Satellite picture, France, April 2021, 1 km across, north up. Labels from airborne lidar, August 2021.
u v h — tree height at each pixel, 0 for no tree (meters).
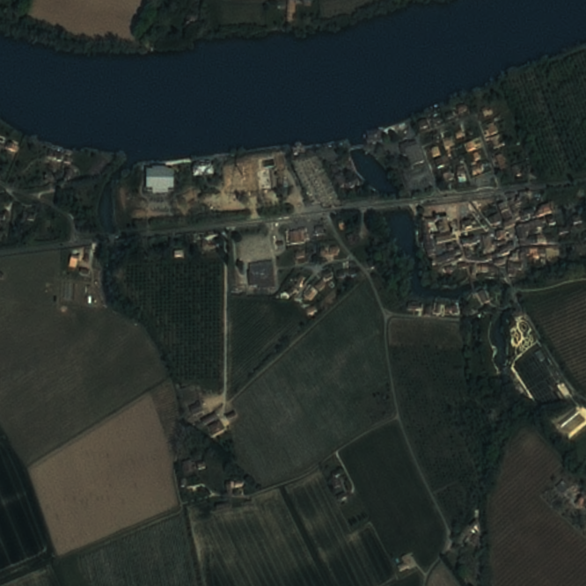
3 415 0
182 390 0
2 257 0
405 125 0
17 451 0
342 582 0
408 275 21
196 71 0
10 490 0
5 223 10
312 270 0
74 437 0
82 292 0
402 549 0
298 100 0
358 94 0
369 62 0
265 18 0
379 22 0
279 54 0
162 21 18
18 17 19
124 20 0
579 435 0
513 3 0
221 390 0
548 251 0
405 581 0
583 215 12
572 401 16
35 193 0
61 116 0
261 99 0
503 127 6
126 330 0
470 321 12
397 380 0
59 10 0
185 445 31
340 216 9
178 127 0
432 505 0
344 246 0
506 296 12
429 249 0
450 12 0
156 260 10
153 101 0
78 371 0
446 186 15
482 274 10
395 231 0
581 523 7
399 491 0
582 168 15
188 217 12
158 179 0
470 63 0
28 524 0
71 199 13
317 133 0
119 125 0
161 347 16
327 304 11
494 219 0
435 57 0
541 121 11
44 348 0
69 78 0
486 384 13
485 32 0
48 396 0
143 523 0
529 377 0
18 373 0
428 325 0
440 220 0
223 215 9
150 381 0
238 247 0
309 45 0
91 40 13
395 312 0
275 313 0
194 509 0
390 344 0
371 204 0
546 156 9
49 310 0
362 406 0
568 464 14
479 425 9
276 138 0
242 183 0
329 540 0
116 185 12
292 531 0
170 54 0
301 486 0
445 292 0
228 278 0
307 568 0
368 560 0
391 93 0
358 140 0
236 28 9
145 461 0
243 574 0
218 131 0
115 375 0
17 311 0
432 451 0
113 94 0
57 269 0
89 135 0
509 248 0
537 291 0
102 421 0
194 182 9
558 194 6
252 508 0
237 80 0
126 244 15
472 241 0
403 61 0
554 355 17
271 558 0
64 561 0
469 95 6
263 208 10
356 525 16
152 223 11
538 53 0
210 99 0
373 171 0
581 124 7
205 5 10
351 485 0
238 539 0
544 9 0
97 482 0
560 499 10
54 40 14
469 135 13
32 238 17
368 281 0
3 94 0
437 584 0
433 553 0
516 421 14
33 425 0
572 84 11
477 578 8
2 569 0
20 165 9
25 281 0
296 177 8
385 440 0
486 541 12
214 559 0
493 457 24
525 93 7
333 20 9
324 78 0
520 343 0
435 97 0
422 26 0
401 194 18
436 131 6
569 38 0
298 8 0
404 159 12
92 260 0
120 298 10
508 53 0
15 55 0
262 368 6
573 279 26
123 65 0
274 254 0
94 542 0
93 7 0
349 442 0
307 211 0
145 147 0
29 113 0
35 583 0
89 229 12
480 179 0
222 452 19
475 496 15
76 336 0
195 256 16
